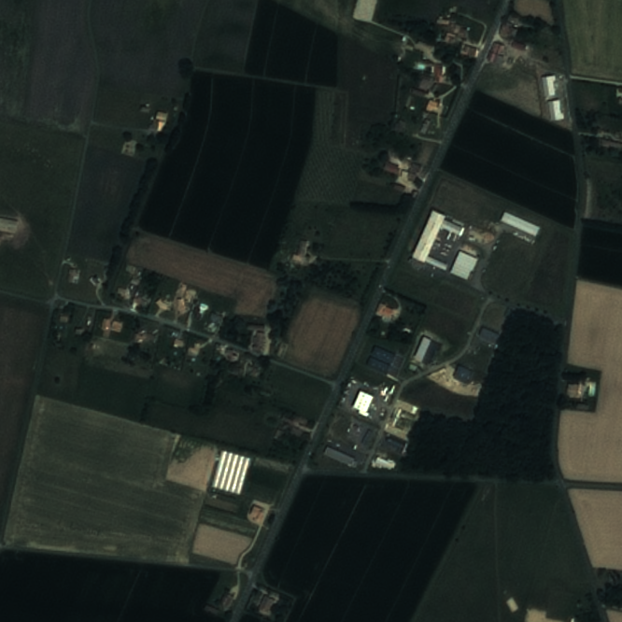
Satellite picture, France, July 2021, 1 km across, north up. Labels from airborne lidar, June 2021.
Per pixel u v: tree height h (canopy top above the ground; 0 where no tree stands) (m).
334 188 0
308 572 0
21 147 0
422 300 0
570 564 0
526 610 0
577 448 0
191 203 0
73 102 0
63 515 0
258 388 6
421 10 0
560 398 12
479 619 0
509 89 0
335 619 0
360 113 0
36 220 0
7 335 0
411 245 0
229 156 0
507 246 0
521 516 0
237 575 0
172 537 0
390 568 0
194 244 0
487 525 0
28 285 0
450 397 0
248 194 0
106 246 0
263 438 0
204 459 0
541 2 0
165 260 0
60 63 0
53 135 0
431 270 0
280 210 0
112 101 0
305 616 0
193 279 0
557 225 0
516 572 0
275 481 0
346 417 0
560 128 0
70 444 0
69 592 0
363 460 0
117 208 0
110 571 0
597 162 0
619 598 10
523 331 22
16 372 0
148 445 0
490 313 0
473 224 0
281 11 0
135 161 0
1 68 0
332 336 0
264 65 0
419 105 0
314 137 0
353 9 0
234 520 0
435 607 0
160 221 0
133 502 0
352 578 0
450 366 0
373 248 0
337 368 0
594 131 9
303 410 0
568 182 0
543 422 21
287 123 0
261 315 0
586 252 0
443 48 7
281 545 0
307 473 0
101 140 0
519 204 0
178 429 0
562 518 0
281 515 0
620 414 0
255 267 0
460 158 0
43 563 0
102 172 0
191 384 0
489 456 12
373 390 0
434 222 0
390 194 0
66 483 0
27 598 0
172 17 0
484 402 19
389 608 0
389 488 0
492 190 0
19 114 0
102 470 0
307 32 0
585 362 0
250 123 0
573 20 0
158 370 0
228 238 0
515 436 15
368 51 0
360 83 0
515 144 0
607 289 0
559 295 0
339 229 0
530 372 15
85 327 0
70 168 0
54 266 0
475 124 0
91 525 0
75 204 0
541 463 10
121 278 0
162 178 0
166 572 0
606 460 0
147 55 0
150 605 0
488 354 0
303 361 0
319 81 0
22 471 0
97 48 0
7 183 0
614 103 0
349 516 0
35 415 0
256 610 8
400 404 0
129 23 0
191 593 0
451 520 0
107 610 0
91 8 0
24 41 0
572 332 0
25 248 0
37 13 0
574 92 0
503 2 0
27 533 0
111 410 0
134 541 0
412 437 18
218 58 0
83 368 0
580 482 0
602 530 0
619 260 0
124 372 0
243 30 0
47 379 0
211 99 0
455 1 0
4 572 0
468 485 0
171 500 0
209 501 0
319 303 0
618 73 0
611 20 0
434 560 0
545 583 0
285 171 0
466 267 0
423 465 8
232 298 0
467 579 0
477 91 0
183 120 11
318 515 0
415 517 0
